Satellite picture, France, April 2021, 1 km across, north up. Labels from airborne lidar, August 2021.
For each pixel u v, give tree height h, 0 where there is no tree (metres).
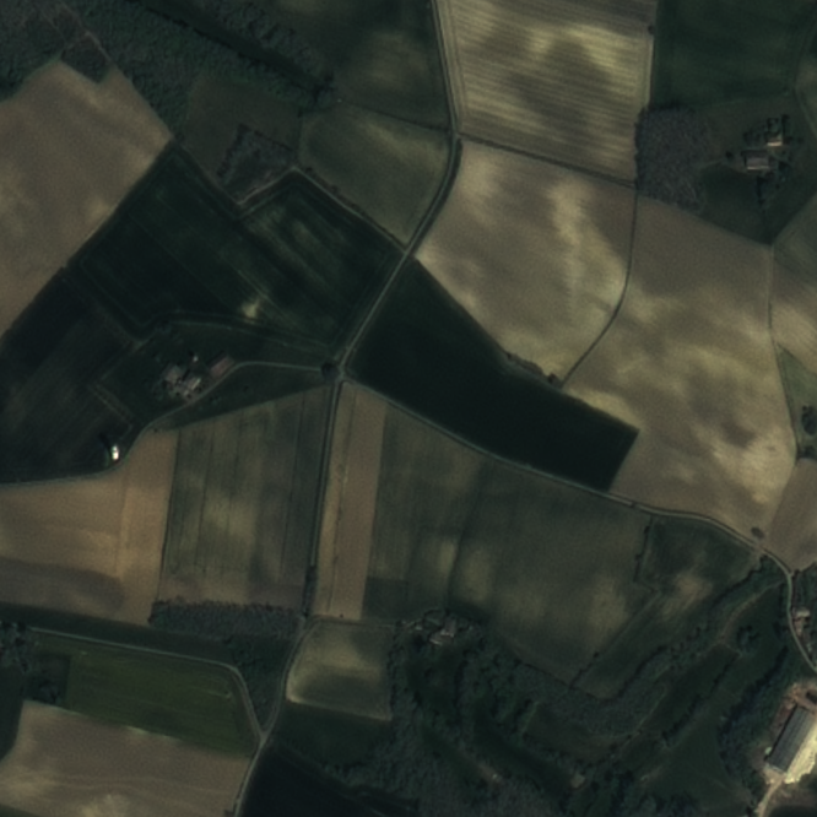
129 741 0
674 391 0
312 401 0
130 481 0
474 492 0
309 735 0
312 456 0
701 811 21
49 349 0
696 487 0
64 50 7
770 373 0
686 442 0
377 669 0
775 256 0
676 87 0
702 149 24
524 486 0
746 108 0
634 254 0
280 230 0
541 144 0
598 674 0
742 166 0
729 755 11
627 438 0
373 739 0
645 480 0
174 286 0
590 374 0
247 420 0
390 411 0
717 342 0
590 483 0
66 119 0
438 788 19
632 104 0
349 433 0
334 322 0
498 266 0
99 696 0
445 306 0
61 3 16
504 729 12
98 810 0
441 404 0
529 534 0
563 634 0
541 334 0
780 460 0
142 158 0
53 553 0
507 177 0
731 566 0
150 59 10
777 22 0
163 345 0
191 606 11
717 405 0
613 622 0
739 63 0
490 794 14
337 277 0
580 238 0
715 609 10
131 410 0
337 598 0
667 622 0
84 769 0
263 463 0
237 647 6
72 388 0
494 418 0
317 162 0
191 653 0
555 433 0
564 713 20
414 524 0
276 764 0
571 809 17
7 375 0
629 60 0
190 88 14
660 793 0
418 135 0
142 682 0
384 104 0
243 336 0
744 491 0
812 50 0
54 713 0
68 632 0
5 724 0
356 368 0
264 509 0
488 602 0
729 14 0
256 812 0
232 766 0
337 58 0
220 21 7
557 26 0
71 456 0
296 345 0
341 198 9
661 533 0
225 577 0
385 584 0
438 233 0
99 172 0
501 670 18
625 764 13
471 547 0
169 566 0
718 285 0
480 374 0
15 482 0
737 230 0
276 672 10
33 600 0
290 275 0
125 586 0
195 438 0
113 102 0
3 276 0
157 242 0
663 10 0
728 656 0
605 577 0
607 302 0
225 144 0
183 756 0
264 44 18
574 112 0
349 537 0
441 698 0
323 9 0
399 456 0
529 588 0
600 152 0
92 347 0
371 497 0
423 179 0
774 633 0
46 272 0
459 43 0
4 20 15
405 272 0
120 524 0
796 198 0
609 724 18
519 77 0
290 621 17
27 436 0
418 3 0
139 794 0
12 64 15
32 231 0
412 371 0
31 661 15
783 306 0
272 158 17
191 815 0
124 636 0
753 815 10
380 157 0
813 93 0
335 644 0
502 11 0
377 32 0
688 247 0
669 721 0
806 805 0
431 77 0
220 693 0
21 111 0
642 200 0
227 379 0
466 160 0
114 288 0
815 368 0
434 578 0
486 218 0
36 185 0
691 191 21
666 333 0
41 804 0
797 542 0
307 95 12
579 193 0
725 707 0
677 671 19
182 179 0
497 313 0
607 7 0
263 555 0
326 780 0
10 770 0
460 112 0
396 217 0
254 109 0
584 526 0
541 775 0
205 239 0
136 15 27
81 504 0
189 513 0
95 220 0
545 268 0
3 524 0
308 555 0
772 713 10
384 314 0
